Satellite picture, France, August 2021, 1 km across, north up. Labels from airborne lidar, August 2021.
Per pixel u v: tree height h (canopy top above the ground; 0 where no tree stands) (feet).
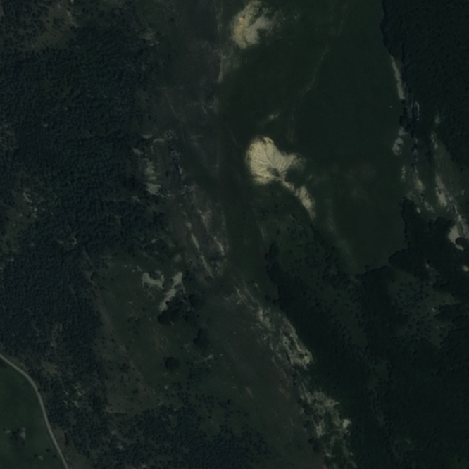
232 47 0
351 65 0
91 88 26
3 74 24
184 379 0
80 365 21
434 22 39
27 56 29
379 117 0
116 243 61
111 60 18
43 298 26
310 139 0
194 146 0
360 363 34
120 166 24
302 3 0
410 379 68
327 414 21
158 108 0
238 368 0
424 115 35
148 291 0
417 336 27
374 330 55
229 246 0
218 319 0
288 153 0
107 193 27
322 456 0
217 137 0
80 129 62
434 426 79
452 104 47
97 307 0
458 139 46
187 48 0
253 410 0
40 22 18
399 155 0
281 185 0
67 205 31
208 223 0
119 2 0
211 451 21
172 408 20
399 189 0
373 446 64
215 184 0
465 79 56
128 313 0
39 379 30
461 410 91
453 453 52
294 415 0
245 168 0
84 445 28
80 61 27
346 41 0
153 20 0
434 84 30
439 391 68
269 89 0
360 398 55
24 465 0
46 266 35
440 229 44
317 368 29
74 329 24
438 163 0
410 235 54
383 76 0
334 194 0
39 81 54
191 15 0
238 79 0
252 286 0
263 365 0
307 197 0
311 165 0
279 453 0
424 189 0
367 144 0
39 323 33
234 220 0
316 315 58
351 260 0
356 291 20
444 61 58
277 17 0
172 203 0
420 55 45
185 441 32
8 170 58
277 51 0
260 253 0
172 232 0
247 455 22
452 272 60
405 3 32
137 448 29
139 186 44
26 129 32
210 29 0
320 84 0
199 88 0
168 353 0
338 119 0
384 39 0
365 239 0
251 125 0
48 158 34
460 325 49
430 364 81
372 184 0
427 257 49
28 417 0
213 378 0
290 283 52
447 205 0
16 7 27
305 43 0
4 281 26
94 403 41
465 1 51
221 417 0
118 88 24
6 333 31
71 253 34
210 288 0
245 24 0
